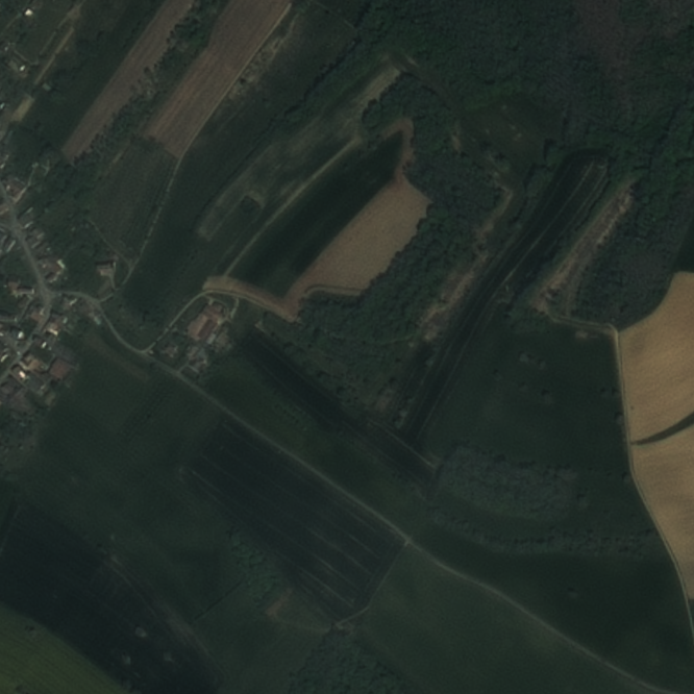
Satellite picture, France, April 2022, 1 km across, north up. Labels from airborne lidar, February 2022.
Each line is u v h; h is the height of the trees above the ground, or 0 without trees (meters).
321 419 0
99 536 0
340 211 0
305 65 0
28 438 19
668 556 0
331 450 0
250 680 0
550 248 0
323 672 8
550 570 0
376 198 0
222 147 0
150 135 0
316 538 0
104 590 0
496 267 0
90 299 0
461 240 27
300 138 0
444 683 0
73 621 0
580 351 0
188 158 0
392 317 17
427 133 24
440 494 0
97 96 0
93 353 0
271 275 0
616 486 0
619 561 0
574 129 25
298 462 0
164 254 0
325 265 0
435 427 0
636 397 0
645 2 14
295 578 0
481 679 0
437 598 0
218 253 0
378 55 23
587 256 0
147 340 0
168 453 0
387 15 24
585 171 0
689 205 17
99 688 0
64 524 0
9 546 0
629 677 0
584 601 0
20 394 0
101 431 0
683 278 0
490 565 0
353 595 0
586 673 0
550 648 0
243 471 0
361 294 0
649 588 0
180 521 0
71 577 0
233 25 0
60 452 0
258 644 0
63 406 0
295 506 0
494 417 0
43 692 0
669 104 10
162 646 0
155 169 0
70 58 0
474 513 0
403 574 0
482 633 0
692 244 0
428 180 25
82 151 0
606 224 0
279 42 0
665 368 0
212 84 0
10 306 0
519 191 0
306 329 12
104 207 0
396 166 0
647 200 22
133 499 0
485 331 0
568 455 0
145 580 0
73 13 0
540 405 0
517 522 0
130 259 0
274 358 0
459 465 20
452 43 24
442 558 0
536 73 24
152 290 0
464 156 14
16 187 0
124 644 0
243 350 0
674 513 0
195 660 0
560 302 20
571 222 0
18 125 8
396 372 0
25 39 7
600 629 0
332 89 21
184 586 0
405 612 0
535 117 0
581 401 0
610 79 15
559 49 23
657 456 0
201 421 0
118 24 0
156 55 0
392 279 16
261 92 0
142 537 0
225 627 0
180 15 0
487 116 0
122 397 0
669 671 0
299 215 0
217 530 0
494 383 0
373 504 0
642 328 0
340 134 0
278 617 0
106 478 0
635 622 0
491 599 0
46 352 0
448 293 26
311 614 0
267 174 0
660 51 12
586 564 0
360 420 0
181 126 0
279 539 0
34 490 0
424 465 0
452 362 0
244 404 0
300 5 21
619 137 26
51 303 0
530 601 0
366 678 16
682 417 0
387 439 0
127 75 0
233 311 0
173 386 0
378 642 0
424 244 16
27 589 0
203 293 0
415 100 21
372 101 0
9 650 0
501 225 0
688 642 0
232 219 0
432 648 0
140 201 0
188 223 0
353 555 0
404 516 0
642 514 0
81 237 6
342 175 0
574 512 0
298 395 0
